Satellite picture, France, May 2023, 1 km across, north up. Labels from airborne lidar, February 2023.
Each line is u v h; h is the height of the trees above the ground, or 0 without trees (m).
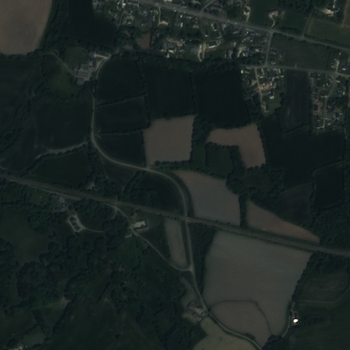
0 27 0
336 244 13
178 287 0
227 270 0
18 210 16
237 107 0
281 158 0
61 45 20
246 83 0
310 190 0
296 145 0
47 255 10
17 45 0
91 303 0
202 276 11
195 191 0
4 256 27
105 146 0
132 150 0
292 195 0
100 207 22
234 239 0
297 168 0
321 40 0
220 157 0
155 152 0
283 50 0
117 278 18
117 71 0
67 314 15
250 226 0
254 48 9
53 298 30
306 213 0
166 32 8
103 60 0
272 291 0
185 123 0
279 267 0
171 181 8
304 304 0
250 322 0
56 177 0
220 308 0
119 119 0
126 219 13
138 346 0
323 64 0
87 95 0
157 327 13
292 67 0
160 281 0
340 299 0
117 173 0
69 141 0
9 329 0
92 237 0
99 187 19
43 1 0
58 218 21
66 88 0
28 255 0
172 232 0
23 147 0
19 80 0
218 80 0
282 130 10
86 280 19
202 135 16
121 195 20
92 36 0
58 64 0
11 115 0
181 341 29
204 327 0
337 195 0
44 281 25
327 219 23
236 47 17
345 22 0
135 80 0
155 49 6
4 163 0
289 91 0
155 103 0
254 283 0
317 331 0
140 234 0
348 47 0
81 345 0
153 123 0
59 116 0
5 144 9
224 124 0
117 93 0
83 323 0
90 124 0
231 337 0
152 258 0
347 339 0
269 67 0
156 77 0
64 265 26
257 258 0
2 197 7
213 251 0
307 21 0
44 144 0
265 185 0
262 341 0
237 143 0
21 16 0
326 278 0
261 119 15
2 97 0
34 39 0
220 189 0
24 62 0
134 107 0
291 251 0
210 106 0
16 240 0
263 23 0
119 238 24
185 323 0
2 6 0
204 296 0
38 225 22
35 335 0
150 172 0
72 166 0
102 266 17
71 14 0
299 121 0
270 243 0
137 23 0
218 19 0
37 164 14
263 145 7
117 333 0
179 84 0
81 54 0
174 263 0
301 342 0
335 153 0
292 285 0
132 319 0
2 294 22
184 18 0
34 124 0
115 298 13
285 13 0
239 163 14
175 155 0
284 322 0
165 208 0
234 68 14
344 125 10
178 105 0
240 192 15
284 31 11
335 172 0
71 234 0
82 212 20
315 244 0
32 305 21
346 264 13
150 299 0
